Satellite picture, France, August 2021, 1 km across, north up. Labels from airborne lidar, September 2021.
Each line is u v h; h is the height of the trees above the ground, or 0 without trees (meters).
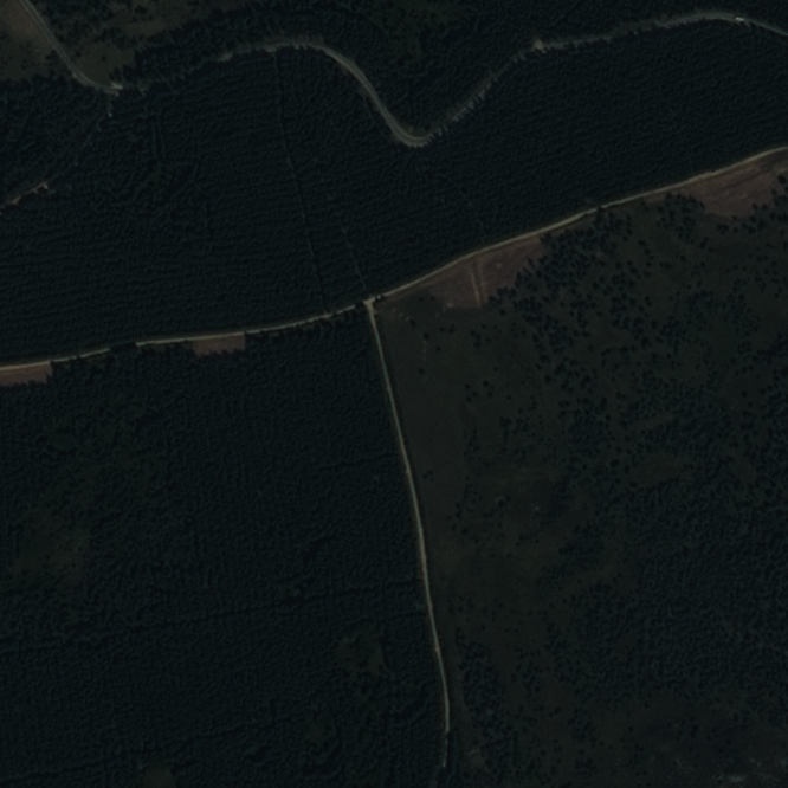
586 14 15
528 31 19
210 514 19
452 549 0
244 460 15
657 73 19
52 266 15
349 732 21
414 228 18
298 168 18
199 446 18
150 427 18
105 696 18
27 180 13
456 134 15
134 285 18
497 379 0
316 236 16
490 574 0
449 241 20
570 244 16
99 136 17
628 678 9
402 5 0
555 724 0
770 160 0
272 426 13
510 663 0
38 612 10
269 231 15
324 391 19
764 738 0
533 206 17
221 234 14
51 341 16
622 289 9
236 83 17
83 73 0
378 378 15
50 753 18
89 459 8
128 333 16
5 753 12
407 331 0
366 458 15
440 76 22
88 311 17
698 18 0
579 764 8
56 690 14
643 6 18
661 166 16
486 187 18
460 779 16
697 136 15
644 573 8
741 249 0
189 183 21
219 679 17
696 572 9
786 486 10
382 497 13
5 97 9
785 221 11
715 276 0
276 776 22
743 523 8
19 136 11
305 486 13
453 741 20
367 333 15
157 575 20
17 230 11
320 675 22
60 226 18
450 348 0
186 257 17
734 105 15
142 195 12
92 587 8
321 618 22
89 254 17
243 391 18
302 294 18
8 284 15
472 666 10
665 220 7
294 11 16
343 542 16
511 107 16
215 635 13
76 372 20
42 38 0
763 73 14
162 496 11
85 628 18
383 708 8
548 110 16
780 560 8
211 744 20
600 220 13
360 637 6
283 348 18
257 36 15
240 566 19
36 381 0
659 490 8
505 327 0
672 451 7
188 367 12
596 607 9
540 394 0
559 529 0
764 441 0
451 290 0
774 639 12
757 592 11
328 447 15
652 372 7
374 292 15
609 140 14
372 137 20
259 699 18
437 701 19
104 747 22
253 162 17
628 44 18
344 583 22
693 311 8
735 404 0
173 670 17
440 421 0
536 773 6
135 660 20
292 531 21
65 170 9
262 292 18
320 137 16
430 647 21
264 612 19
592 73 16
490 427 0
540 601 0
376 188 21
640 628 6
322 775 21
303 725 22
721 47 15
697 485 8
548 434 0
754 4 17
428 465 0
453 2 10
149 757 22
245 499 18
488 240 14
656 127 18
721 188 0
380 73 17
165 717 20
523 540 7
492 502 0
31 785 13
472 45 22
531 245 0
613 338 0
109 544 11
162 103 20
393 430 12
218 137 18
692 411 9
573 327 0
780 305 0
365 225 17
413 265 18
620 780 0
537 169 16
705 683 10
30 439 21
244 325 0
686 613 14
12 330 18
